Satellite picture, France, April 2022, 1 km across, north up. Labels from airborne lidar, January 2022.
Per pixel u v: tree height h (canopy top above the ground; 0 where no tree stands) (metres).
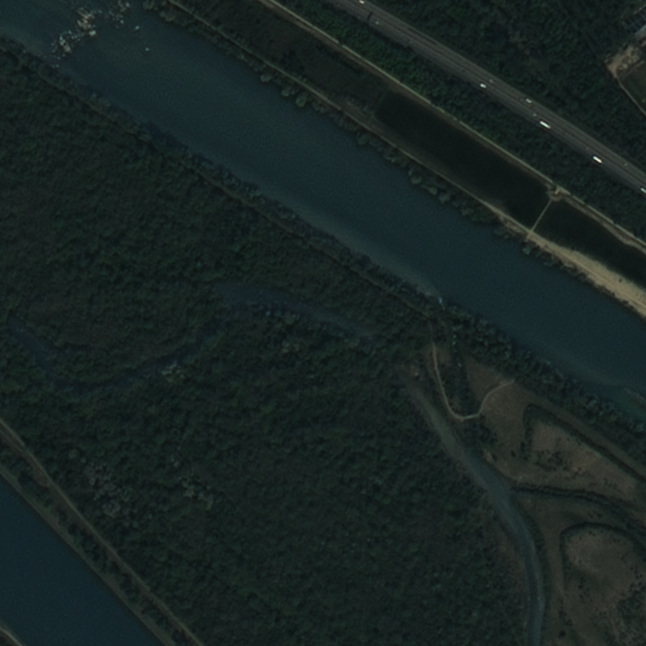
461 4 23
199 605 15
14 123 18
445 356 0
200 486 20
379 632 16
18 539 0
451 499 19
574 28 21
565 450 0
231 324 14
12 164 15
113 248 22
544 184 0
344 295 13
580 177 19
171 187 13
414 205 0
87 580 0
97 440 19
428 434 8
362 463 14
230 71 0
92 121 8
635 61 0
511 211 0
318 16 18
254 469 14
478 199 0
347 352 19
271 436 17
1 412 8
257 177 0
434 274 0
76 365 18
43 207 12
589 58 17
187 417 10
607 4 30
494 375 0
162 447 8
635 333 0
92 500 20
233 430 7
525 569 0
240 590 13
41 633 0
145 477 12
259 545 8
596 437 0
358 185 0
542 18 19
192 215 18
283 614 10
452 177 0
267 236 18
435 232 0
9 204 13
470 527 15
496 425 0
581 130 0
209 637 9
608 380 0
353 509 15
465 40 18
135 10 0
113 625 0
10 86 10
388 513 22
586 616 0
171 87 0
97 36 0
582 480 0
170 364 19
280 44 5
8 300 18
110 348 9
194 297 17
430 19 19
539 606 0
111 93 0
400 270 0
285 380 17
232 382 15
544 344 0
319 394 6
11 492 0
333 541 15
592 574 0
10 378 22
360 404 15
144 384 15
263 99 0
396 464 13
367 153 0
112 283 17
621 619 0
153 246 11
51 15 0
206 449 8
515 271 0
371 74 0
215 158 0
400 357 8
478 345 19
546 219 0
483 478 0
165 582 17
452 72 0
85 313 16
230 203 14
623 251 0
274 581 18
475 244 0
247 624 11
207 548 10
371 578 11
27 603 0
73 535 20
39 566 0
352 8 0
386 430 13
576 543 0
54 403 6
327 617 7
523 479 0
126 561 15
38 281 8
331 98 0
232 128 0
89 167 11
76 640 0
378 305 9
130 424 18
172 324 14
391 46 16
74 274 20
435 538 14
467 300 0
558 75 35
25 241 15
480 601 17
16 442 0
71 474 7
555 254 0
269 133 0
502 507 0
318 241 20
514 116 7
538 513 0
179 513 23
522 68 33
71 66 0
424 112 0
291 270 14
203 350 14
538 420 0
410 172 12
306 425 22
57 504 0
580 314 0
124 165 6
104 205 14
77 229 15
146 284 17
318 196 0
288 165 0
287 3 15
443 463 17
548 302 0
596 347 0
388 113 0
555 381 18
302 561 17
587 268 0
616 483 0
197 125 0
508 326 0
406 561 14
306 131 0
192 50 0
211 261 18
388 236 0
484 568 17
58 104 10
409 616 5
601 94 16
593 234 0
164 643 0
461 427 0
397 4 7
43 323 15
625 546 0
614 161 0
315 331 10
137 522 20
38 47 0
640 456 12
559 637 0
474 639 19
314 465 19
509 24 21
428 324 21
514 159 0
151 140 9
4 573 0
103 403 7
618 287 0
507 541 0
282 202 0
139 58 0
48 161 14
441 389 0
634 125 13
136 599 17
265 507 13
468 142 0
